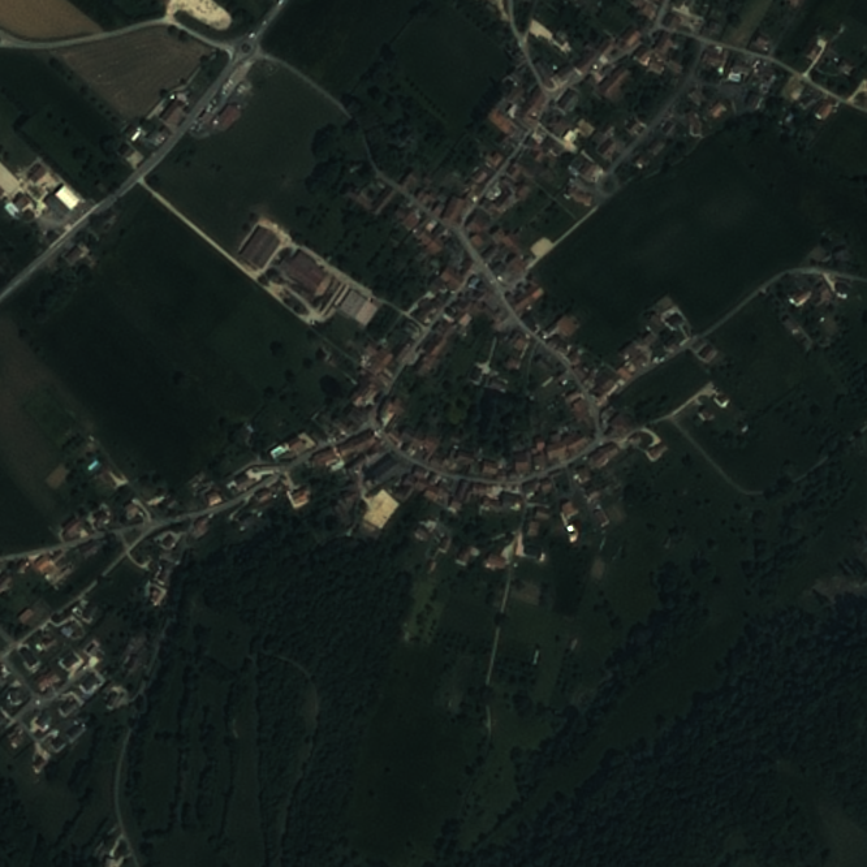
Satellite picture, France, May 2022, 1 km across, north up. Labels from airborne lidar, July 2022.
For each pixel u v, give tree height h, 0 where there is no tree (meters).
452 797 0
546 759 12
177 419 0
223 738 0
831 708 18
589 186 0
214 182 0
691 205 0
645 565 0
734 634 0
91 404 0
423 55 0
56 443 0
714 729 24
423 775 0
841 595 0
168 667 14
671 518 0
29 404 0
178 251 0
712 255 0
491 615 0
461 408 11
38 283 0
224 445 0
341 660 8
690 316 0
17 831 19
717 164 0
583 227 0
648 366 0
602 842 28
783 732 18
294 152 0
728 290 0
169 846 0
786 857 16
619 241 0
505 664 8
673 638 24
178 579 16
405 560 9
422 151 6
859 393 10
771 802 19
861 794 10
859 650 32
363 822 0
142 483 7
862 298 0
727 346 0
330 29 0
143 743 13
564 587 0
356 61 0
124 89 0
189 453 0
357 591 11
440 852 12
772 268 0
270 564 24
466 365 0
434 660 0
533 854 11
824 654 25
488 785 0
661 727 15
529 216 0
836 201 0
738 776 19
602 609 7
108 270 0
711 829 12
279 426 0
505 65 0
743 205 0
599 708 7
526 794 16
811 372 0
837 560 0
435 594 5
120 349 0
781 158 0
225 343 0
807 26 0
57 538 0
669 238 0
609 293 0
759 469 0
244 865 0
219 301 0
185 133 0
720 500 0
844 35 0
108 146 15
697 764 25
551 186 0
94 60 0
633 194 0
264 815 6
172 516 6
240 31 0
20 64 0
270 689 8
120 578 0
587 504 0
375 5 0
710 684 0
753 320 0
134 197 0
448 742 0
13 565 9
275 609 17
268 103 0
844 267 13
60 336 0
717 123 0
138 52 0
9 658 0
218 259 0
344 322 0
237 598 20
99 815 0
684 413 0
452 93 0
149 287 0
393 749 0
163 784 0
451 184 0
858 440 9
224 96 0
